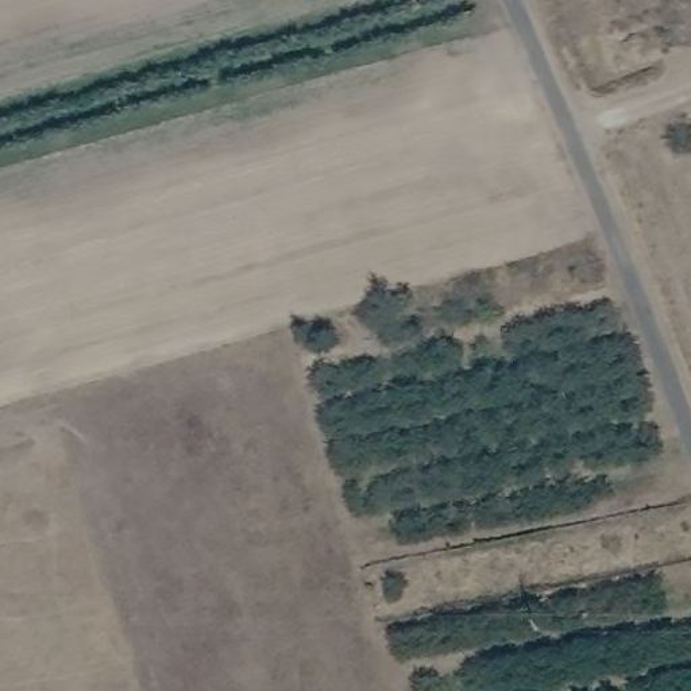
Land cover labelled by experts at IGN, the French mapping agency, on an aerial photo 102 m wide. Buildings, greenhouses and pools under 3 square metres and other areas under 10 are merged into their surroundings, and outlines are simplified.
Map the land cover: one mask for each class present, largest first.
<instances>
[{"label":"agricultural land","instance_id":"1","mask_svg":"<svg viewBox=\"0 0 691 691\"><path fill-rule=\"evenodd\" d=\"M370 0H0V103L38 94L54 86H67L76 81H89L124 67H138L151 59L189 54L221 38L265 32L289 22H313L340 8ZM475 3V8L486 16V30L491 32L483 38L440 43L432 49L402 54L397 59L356 65L302 84H286L283 76L270 73L265 78L256 76L251 81L256 89L243 100L0 167V691H394L375 675V669L386 661L383 653L362 634V599H356L351 591V559L346 548V534L340 532L343 521L321 518V513L313 507L310 486L294 467V453L300 451L308 429L300 421L289 418L283 394L294 383V364L308 351L302 343L294 340L292 319H327L332 310L354 308L367 294L370 278L375 275L383 278L389 286H410L440 283L470 270L526 259L540 251H551L586 238L599 227V221L586 197L583 181L572 165L564 135L548 108V100L521 46V38L513 27L505 0H470Z\"/></svg>","mask_w":691,"mask_h":691},{"label":"herbaceous vegetation","instance_id":"2","mask_svg":"<svg viewBox=\"0 0 691 691\"><path fill-rule=\"evenodd\" d=\"M410 0H370L340 8L313 22H289L265 32L221 38L189 54L151 59L138 67H124L89 81H76L67 86H54L38 94L0 103V119L43 108L49 103H73L103 89L143 81L154 73L192 67L219 57L221 51H238L270 40H283L289 35L324 32L335 24H343L346 19L402 8ZM529 13L540 11L556 62L567 76L570 86L588 89L599 97L605 94L610 105L642 94H648L651 103H659L664 97V86L691 78V0H521ZM491 32L486 30V16L475 8L445 24H429L408 35L378 38L364 46L340 51L335 59L305 57L297 62L278 65L270 73L283 76L286 84H302L356 65L397 59L402 54L432 49L440 43L483 38ZM256 76H243L200 92L130 105L111 116L89 119L67 130L46 132L40 138H27L0 148V167L243 100L256 89L251 81ZM691 121V103H683L678 111L669 113L640 116L629 124L607 127L602 151L591 159L594 173L605 189L607 205L615 216V224L629 246L632 265L640 275L645 297L651 300L659 332L678 370L686 402L691 408V154H675L664 140V132L667 124ZM445 294L459 297L462 302L494 297V302L502 305L499 310H486L480 321L456 327L453 337L462 343V367H470L472 359L483 356L513 359V354L502 346V329L516 332L521 327L540 324L543 319L559 313L588 316L597 313L607 300L615 305L626 332L594 335L591 346L626 343L629 337H634L653 399L651 410L645 413V421H653L659 426L661 451L645 464L588 467L586 462H575L572 475L583 480L605 475L613 491L607 499H597L594 505L578 513L526 518L499 526H470L459 534H440L421 543H397L389 526L394 518L391 513L354 516L346 507L343 483L348 478H359V489H367L375 475L391 472L397 467L391 459H386L372 462L367 467H343L335 475L327 459L324 432L316 421L319 391L308 381L313 362H343L362 354L391 356L389 346H383L356 319L354 308L332 310L327 319L337 329V346H332L329 351H308L294 364V383L283 394L289 418L300 421L308 429L300 451L294 453V467L310 486L313 507L321 513V518L343 521L340 532L346 534V548L351 559V591L356 599H362V634L383 653L386 661L375 669V675L394 691H410V675L429 678L432 669L453 672L462 661L478 667L483 661L502 656L567 648L575 640H613L618 634H648L661 629L691 626V459L683 435L675 424L672 408L664 397L656 364L651 359L632 302L626 297L624 281L621 275H605V262L597 246L586 238L551 251H540L526 259L470 270L440 283L410 286V297L421 305H440ZM389 570L405 575V591L399 599L383 597V575ZM659 575L667 594V607L661 610L583 613L580 621L586 629H575L567 634H559V629L540 626L532 621L529 626L537 634V640L524 645H494L480 653H475L472 648H459L443 656L397 659L389 648V634L405 629L435 626L448 618H467L494 610H518L524 605L551 610L556 602L570 597H591L632 583H653ZM691 669V661L659 664L653 669L642 667V675L629 678L597 672V678L588 680V688L610 683L618 691H632L656 683L661 675Z\"/></svg>","mask_w":691,"mask_h":691},{"label":"deciduous trees","instance_id":"3","mask_svg":"<svg viewBox=\"0 0 691 691\"><path fill-rule=\"evenodd\" d=\"M475 8V3L470 0H410L402 8L346 19L343 24H335L324 32L289 35L283 40H270L238 51H221L219 57L192 67L154 73L143 81L103 89L73 103H49L43 108L0 119V148L27 138H40L46 132L67 130L89 119L111 116L130 105L200 92L243 76H256L265 78L278 65L297 62L305 57L335 59L340 51L364 46L378 38L408 35L429 24H445ZM664 140L675 154H691V121L667 124L664 132ZM502 305L494 302V297L462 302L459 297L445 294L440 305H421L410 297V286H389L383 278L375 275L370 278L367 294L354 308L356 319L383 346H389L391 356L362 354L343 362H313L308 381L319 391L316 421L324 432L327 459L335 475L343 467H367L372 462L386 459H391L397 467L391 472L375 475L367 489H359V478H348L343 483L346 507L354 516L391 513L394 518L389 526L397 543H421L440 534H459L470 526H499L526 518L578 513L594 505L597 499H607L613 491L605 475L583 480L572 475L575 462H586L588 467L645 464L661 451L659 426L653 421H645V413L651 410L653 399L634 337H629L626 343L591 346L594 335L626 332L615 305L607 300L597 313L588 316L559 313L543 319L540 324L521 327L516 332L502 329V346L513 354V359L483 356L472 359L470 367H462V343L453 337L456 327L480 321L486 310H499ZM294 340L302 343L308 351H329L332 346H337V329L327 319H292ZM405 591V575L389 570L383 575V597L399 599ZM667 607V594L659 575L653 583H632L591 597H570L556 602L551 610L524 605L518 610H494L467 618H448L435 626L405 629L389 634V648L397 659L443 656L459 648H472L475 653H480L494 645H524L537 640V634L529 626L532 621L540 626L559 629V634H567L575 629H586L580 621L583 613L661 610ZM691 661V626L661 629L648 634H618L613 640H575L567 648L502 656L483 661L478 667L462 661L453 672L432 669L429 678L410 675V691H618L610 683L588 688V680L597 678V672L629 678L642 675V667L653 669L659 664ZM632 691H691V669L661 675L656 683Z\"/></svg>","mask_w":691,"mask_h":691},{"label":"impervious surface","instance_id":"4","mask_svg":"<svg viewBox=\"0 0 691 691\"><path fill-rule=\"evenodd\" d=\"M513 27L521 38V46L548 100V108L564 135L572 165L583 181L586 197L599 221V227L586 238L597 246L605 262V275H621L624 281L626 297L632 302L651 359L656 364L664 397L672 408L675 424L683 435L691 459V408L686 402L678 370L659 332L651 300L645 297L640 275L632 265L629 246L615 224V216L607 205L605 189L594 173L591 159L575 127V119L556 86V78L543 54L529 13L521 0H505Z\"/></svg>","mask_w":691,"mask_h":691},{"label":"pervious surface","instance_id":"5","mask_svg":"<svg viewBox=\"0 0 691 691\"><path fill-rule=\"evenodd\" d=\"M543 54L556 78V86L575 119V127L591 159L602 151L607 127L629 124L640 116L669 113L678 111L683 103H691V78L664 86V97L659 103H651L648 94H642L610 105L605 94L599 97L588 89L570 86L567 76L556 62L540 11L529 13Z\"/></svg>","mask_w":691,"mask_h":691}]
</instances>
